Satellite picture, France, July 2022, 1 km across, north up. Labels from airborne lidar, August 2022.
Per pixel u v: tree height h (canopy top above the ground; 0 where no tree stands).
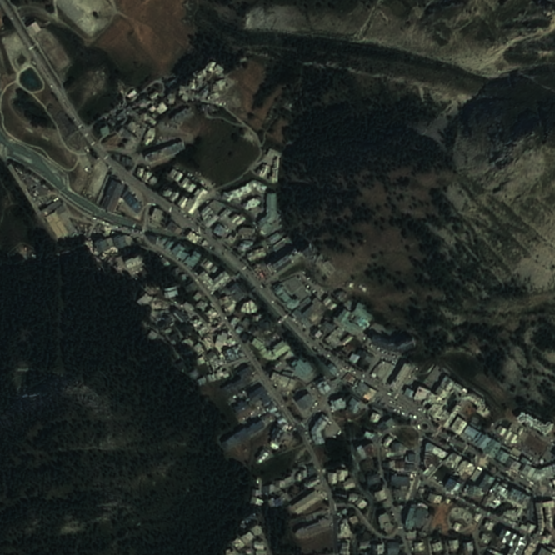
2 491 12
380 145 11
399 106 12
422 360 0
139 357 19
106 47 0
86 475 13
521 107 0
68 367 14
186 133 0
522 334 7
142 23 0
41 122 13
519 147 0
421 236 18
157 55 0
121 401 18
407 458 0
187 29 0
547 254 0
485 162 0
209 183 0
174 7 0
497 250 0
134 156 0
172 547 13
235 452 0
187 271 0
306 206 7
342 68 9
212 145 0
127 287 19
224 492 17
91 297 15
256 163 0
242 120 0
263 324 0
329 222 11
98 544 15
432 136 0
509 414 0
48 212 0
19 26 0
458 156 0
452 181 0
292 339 15
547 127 0
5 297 12
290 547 7
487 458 0
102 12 0
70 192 0
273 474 0
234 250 8
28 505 21
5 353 14
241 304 7
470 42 0
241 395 0
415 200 12
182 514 12
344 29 0
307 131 16
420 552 0
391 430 0
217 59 12
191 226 0
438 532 8
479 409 0
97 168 0
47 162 0
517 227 0
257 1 0
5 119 0
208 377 0
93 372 16
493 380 0
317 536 0
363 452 0
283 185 19
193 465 8
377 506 7
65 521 8
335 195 10
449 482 0
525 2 0
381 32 0
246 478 16
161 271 20
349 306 0
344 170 9
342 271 0
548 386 9
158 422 10
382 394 0
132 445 12
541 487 0
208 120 0
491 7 0
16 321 8
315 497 0
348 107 15
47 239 16
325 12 0
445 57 0
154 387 20
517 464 0
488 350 16
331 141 19
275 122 6
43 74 0
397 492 0
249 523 15
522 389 0
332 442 11
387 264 0
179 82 12
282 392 0
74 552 11
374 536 9
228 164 0
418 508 0
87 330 17
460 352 0
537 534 0
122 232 0
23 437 15
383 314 0
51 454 19
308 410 0
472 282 9
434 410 0
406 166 9
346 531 0
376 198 0
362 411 0
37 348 20
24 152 0
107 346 17
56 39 0
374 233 0
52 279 17
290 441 0
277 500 0
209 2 8
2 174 6
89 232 0
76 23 0
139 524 7
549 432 0
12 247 0
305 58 8
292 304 0
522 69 0
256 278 0
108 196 0
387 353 0
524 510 9
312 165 14
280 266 0
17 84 0
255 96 7
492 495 0
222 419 15
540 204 0
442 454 0
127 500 6
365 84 0
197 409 14
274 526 23
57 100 7
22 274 19
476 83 0
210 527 20
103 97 0
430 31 0
